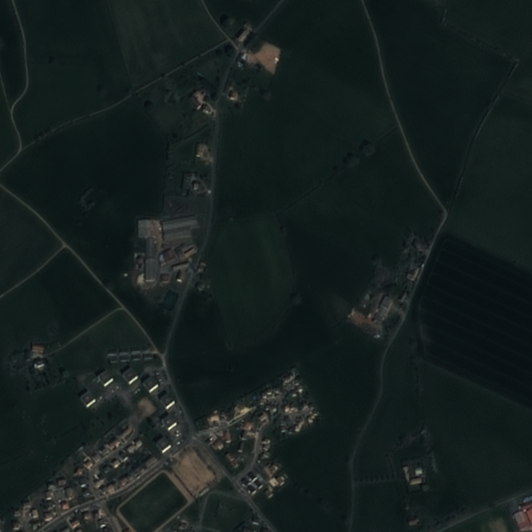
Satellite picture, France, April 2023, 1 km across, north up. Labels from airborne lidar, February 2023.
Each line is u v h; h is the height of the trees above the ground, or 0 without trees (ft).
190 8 0
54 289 0
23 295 0
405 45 0
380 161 0
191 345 0
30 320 0
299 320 0
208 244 0
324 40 0
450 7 0
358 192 0
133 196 0
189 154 0
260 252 0
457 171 0
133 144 0
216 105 0
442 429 0
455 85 0
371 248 0
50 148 0
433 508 0
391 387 0
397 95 0
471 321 0
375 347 0
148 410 0
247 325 0
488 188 0
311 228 0
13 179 0
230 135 0
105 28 0
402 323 0
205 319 0
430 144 0
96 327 0
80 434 0
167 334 0
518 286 0
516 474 0
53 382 37
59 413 0
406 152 0
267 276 0
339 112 0
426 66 0
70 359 0
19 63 0
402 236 0
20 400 0
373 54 0
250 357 0
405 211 0
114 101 0
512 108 0
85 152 0
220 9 0
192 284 0
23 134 0
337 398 0
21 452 0
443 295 0
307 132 0
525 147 0
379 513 0
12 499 0
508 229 0
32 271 0
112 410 0
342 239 0
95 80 0
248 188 0
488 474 0
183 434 0
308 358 0
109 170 0
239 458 0
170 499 0
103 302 0
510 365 0
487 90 0
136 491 0
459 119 0
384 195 0
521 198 0
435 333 0
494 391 0
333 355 0
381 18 0
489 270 0
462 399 0
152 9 0
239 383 0
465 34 18
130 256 0
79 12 0
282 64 0
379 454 0
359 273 0
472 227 0
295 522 0
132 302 0
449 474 0
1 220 0
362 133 0
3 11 0
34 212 0
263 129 0
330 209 0
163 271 0
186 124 20
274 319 0
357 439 0
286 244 0
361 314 0
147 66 0
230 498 0
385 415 0
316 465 0
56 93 0
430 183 0
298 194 0
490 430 0
